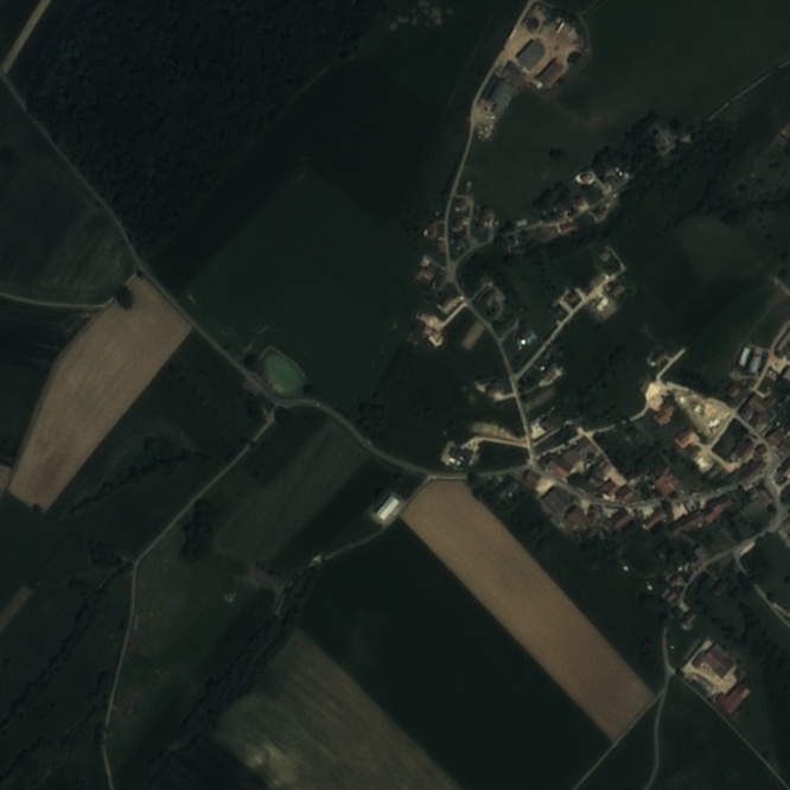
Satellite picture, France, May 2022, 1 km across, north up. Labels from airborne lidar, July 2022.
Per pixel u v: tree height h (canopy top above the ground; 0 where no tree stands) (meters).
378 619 0
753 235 0
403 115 0
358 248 0
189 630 0
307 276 0
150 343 0
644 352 0
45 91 19
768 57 0
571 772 0
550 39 0
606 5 0
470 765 0
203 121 32
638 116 0
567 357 0
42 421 0
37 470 0
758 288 0
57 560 0
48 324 0
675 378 0
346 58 13
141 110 27
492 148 0
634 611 0
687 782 0
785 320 0
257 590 0
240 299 0
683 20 0
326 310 0
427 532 0
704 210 11
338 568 0
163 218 26
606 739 0
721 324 0
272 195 0
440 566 0
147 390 0
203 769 0
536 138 0
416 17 0
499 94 0
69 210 0
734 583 6
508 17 0
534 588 0
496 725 0
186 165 32
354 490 0
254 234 0
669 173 14
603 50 0
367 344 0
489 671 0
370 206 0
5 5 0
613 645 0
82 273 0
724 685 0
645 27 0
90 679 0
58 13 0
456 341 0
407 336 0
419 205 0
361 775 0
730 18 0
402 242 0
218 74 31
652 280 0
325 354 0
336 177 0
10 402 0
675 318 0
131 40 34
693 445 0
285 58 27
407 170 0
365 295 0
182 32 31
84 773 0
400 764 0
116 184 25
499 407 7
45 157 0
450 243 0
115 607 0
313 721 0
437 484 0
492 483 8
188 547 15
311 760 0
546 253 14
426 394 0
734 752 0
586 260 0
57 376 0
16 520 0
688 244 0
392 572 0
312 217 0
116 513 0
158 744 0
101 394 0
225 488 0
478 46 0
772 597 9
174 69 30
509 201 0
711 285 0
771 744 0
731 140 8
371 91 0
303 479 0
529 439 0
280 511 0
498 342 0
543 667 0
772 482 0
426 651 0
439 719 0
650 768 0
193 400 0
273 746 0
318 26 27
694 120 0
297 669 0
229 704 12
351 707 0
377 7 24
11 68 0
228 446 0
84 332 0
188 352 0
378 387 0
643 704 0
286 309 0
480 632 0
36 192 0
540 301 0
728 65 0
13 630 0
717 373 0
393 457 0
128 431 0
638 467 12
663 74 0
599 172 8
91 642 0
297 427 0
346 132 0
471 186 0
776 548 0
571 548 0
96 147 30
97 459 0
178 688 0
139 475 15
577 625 0
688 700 0
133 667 0
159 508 0
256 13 30
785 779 0
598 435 6
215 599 0
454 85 0
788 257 12
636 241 0
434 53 0
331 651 0
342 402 0
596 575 0
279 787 0
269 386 0
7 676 0
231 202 0
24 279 0
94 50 32
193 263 0
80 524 0
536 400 0
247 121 29
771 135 0
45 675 10
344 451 0
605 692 0
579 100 0
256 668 7
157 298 0
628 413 0
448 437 0
